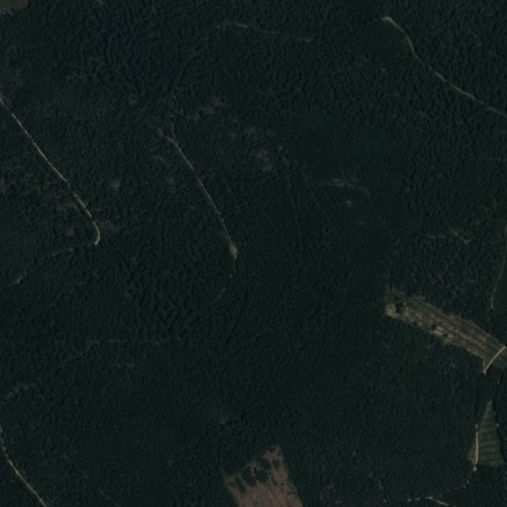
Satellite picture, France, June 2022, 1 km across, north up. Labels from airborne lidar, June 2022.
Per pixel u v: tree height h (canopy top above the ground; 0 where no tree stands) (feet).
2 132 40
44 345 46
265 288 42
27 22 51
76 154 31
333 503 44
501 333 64
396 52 53
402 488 53
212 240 50
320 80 70
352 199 18
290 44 81
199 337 43
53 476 22
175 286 50
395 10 35
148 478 38
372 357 24
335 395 23
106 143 68
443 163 58
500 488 50
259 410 41
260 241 40
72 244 75
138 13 74
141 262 27
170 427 47
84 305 75
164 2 62
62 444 47
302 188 43
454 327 0
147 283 89
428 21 85
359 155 36
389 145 36
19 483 50
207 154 52
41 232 69
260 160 32
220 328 26
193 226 35
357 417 35
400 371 33
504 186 63
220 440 33
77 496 43
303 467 40
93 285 83
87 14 70
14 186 24
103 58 21
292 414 31
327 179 22
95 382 29
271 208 31
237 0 64
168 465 36
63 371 54
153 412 50
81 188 65
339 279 49
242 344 43
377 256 32
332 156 33
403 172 39
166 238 52
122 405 31
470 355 53
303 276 50
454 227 63
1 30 44
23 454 42
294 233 37
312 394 27
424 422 60
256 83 53
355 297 29
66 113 26
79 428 70
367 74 47
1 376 63
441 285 53
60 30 59
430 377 49
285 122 43
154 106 21
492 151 72
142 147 49
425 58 84
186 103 36
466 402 59
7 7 0
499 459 0
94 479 35
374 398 65
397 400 51
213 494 52
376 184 38
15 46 45
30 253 50
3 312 43
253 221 29
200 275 24
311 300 29
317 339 36
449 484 54
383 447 60
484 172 70
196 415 37
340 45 44
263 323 38
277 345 50
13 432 43
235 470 21
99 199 64
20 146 38
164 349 37
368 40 39
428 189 77
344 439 62
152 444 41
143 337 69
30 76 26
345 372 23
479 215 63
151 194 31
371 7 33
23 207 85
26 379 54
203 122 53
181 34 60
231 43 33
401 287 45
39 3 54
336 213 20
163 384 48
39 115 48
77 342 62
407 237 38
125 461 39
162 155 70
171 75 63
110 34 31
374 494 59
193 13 40
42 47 47
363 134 47
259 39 73
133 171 55
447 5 68
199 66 52
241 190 64
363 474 59
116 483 35
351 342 28
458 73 77
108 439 43
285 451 37
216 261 74
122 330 75
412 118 71
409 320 0
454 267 51
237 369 45
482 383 94
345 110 76
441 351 50
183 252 68
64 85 48
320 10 73
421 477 65
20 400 53
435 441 73
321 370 26
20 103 30
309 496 47
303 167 25
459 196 83
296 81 93
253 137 53
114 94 25
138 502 31
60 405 37
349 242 28
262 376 42
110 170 60
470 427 42
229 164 57
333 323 25
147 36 58
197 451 36
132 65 79
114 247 81
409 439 56
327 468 45
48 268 59
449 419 54
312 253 44
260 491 0
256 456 26
